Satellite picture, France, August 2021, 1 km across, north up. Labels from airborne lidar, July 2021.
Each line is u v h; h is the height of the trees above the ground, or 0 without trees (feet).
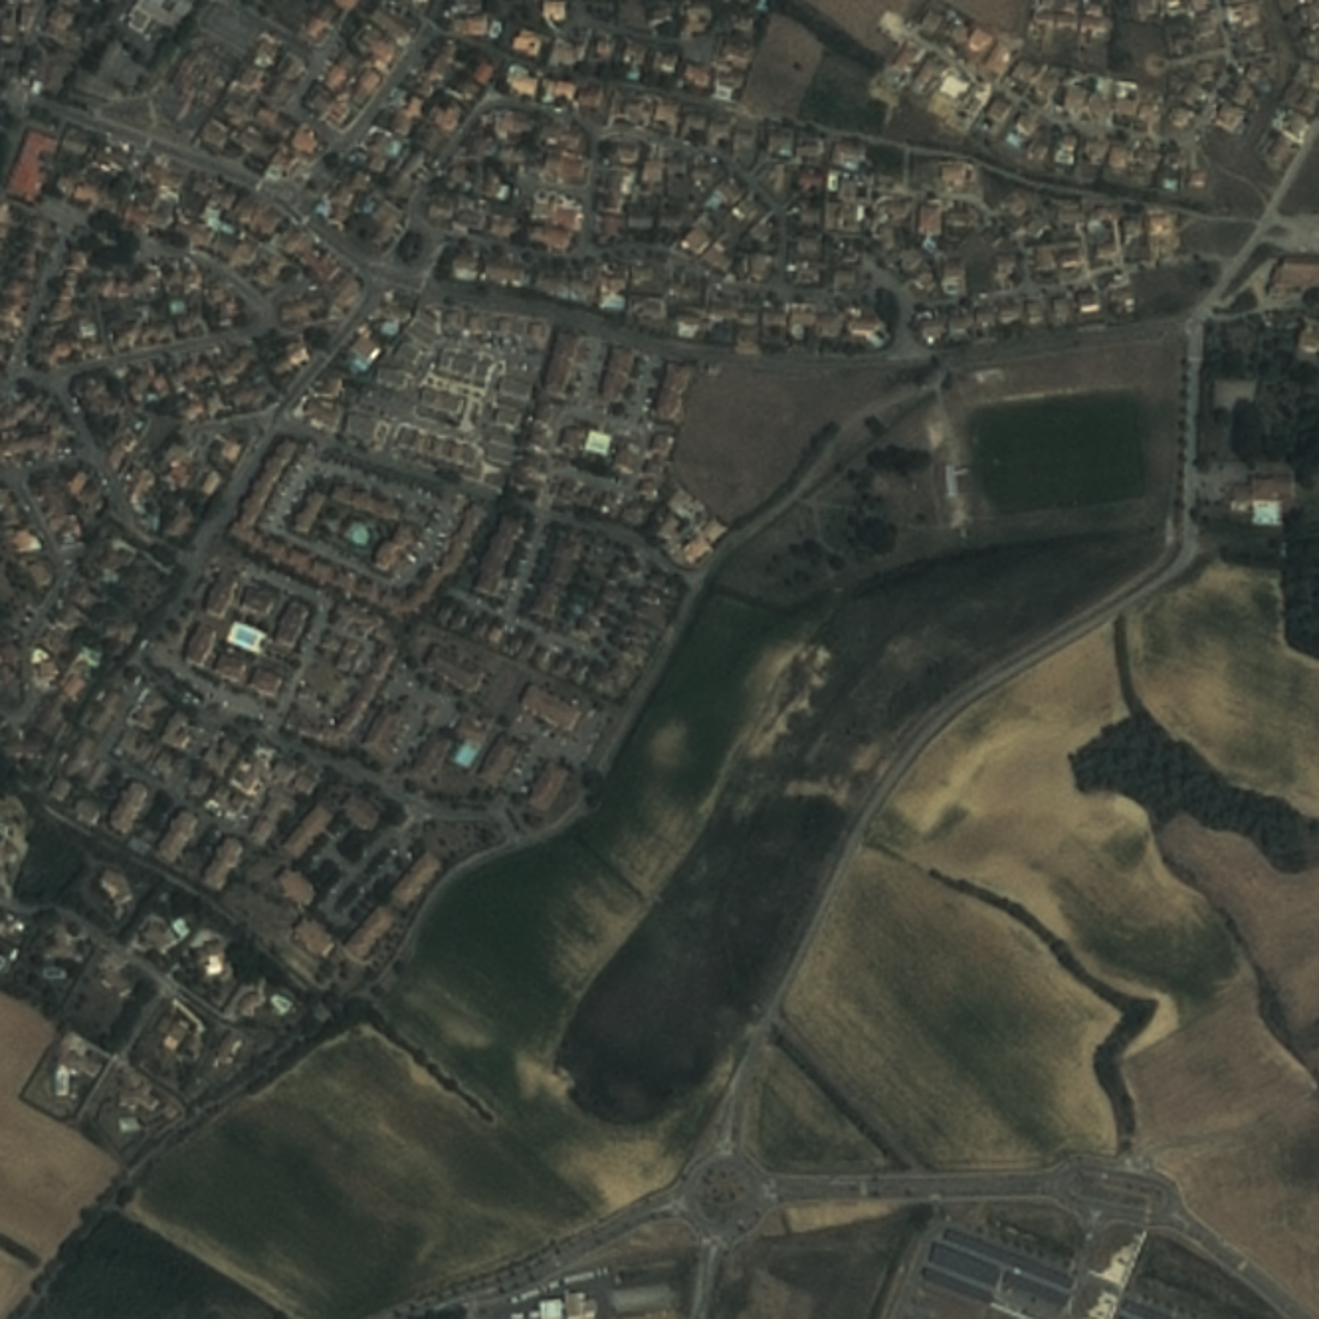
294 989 21
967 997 0
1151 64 0
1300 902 0
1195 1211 0
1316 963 0
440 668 0
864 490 39
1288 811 24
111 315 20
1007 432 0
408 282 0
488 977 0
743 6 21
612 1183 0
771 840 0
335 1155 0
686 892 0
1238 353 31
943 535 0
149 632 26
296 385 0
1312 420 42
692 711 0
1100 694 0
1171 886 0
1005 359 0
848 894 0
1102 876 0
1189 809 25
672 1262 0
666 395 0
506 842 0
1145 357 0
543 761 20
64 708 19
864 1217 0
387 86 0
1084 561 0
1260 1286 0
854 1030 0
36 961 27
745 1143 0
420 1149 0
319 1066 0
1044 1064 0
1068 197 19
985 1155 0
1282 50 0
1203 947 0
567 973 0
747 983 0
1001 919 0
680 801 0
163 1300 25
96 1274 19
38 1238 0
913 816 0
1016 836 0
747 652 0
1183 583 0
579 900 0
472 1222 0
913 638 0
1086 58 0
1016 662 0
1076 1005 0
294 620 0
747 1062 0
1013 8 0
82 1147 0
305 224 0
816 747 0
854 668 0
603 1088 0
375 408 0
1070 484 0
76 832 32
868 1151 0
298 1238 0
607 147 25
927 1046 0
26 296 0
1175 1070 0
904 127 0
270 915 0
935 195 23
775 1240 0
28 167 0
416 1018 0
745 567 0
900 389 0
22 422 23
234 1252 0
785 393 0
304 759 21
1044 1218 0
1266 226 0
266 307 0
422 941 0
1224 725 0
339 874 25
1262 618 0
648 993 0
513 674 0
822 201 23
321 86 20
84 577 20
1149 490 0
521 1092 0
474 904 0
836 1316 0
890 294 31
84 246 31
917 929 0
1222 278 0
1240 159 0
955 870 0
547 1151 0
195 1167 0
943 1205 0
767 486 0
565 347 0
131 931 26
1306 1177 0
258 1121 0
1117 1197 0
